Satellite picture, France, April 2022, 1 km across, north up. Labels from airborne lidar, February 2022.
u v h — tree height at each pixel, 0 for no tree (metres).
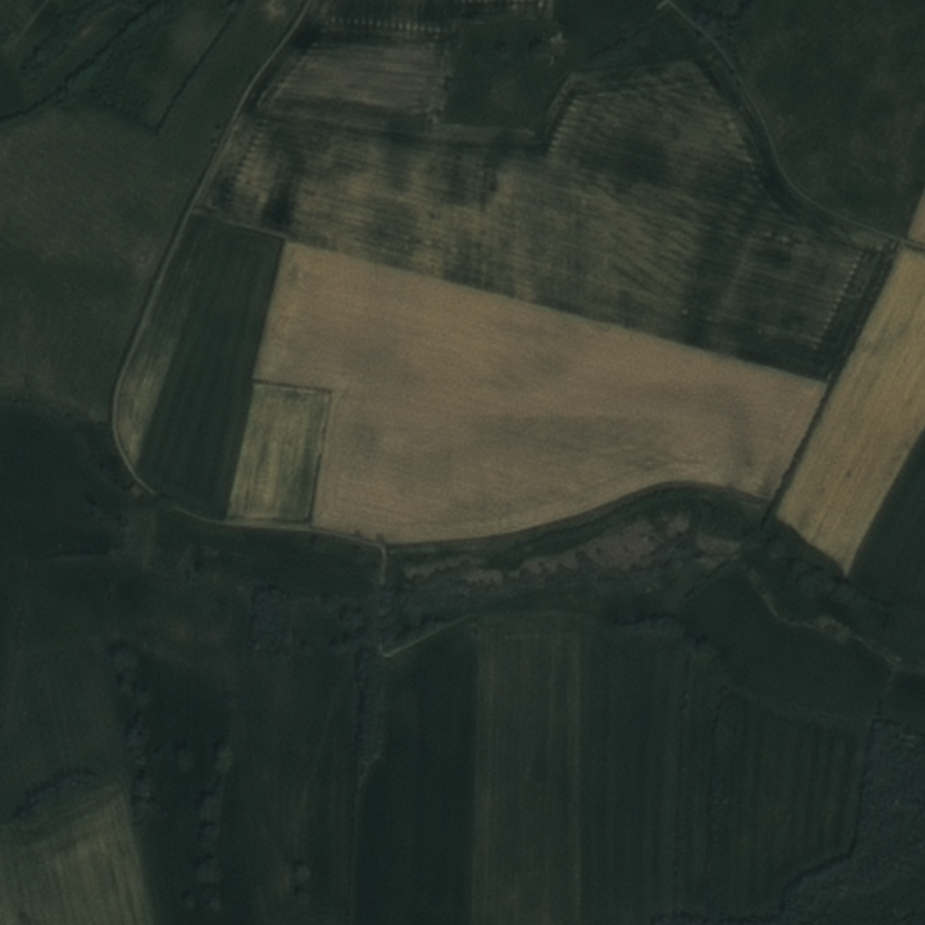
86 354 0
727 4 0
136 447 0
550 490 0
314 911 0
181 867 0
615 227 0
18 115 7
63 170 0
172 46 0
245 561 0
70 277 0
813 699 0
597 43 0
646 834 0
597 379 0
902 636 0
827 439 0
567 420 0
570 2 0
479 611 0
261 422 0
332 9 0
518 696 0
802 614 0
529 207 0
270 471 0
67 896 0
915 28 0
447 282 0
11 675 0
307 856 0
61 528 0
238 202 0
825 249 0
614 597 0
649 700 0
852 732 0
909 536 0
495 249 0
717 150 0
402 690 0
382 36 0
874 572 0
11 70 0
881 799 20
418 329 0
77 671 0
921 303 0
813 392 0
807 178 0
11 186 0
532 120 0
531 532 0
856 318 0
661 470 0
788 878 0
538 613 0
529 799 0
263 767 0
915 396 0
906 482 0
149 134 7
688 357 0
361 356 0
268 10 0
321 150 0
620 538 0
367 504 0
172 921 0
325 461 0
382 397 0
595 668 0
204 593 0
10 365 0
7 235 0
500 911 0
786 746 0
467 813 0
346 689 0
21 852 0
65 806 17
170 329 0
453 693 0
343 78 0
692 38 0
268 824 0
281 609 18
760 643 0
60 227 0
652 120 0
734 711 7
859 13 0
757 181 0
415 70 0
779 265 0
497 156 0
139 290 0
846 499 0
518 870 0
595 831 0
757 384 0
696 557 0
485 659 0
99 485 0
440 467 0
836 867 16
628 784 0
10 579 0
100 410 0
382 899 0
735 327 0
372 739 23
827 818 0
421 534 0
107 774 0
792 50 0
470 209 0
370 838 0
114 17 0
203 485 0
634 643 0
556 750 0
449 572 11
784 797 0
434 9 0
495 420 0
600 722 0
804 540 0
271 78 0
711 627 0
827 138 0
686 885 0
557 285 0
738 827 0
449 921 0
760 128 0
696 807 0
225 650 0
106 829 0
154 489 0
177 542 0
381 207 0
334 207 0
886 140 0
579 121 0
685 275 0
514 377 0
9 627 0
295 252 0
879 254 0
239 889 0
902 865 18
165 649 0
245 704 0
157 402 0
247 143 0
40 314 0
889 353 0
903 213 0
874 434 0
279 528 0
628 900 0
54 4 0
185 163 0
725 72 0
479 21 0
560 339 0
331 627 0
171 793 0
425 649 0
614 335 0
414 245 0
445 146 0
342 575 0
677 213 0
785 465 0
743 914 0
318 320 0
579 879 0
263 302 0
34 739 0
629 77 0
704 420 0
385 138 0
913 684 0
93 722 0
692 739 0
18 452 0
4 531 0
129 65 7
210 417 0
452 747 0
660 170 0
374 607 0
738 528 0
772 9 0
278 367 0
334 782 0
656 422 0
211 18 0
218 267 0
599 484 0
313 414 0
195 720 0
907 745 15
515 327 0
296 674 0
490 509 0
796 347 0
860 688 0
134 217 0
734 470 0
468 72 0
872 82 0
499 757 0
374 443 0
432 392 0
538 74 0
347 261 0
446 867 0
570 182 0
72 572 0
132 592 0
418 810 0
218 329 0
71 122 0
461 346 0
